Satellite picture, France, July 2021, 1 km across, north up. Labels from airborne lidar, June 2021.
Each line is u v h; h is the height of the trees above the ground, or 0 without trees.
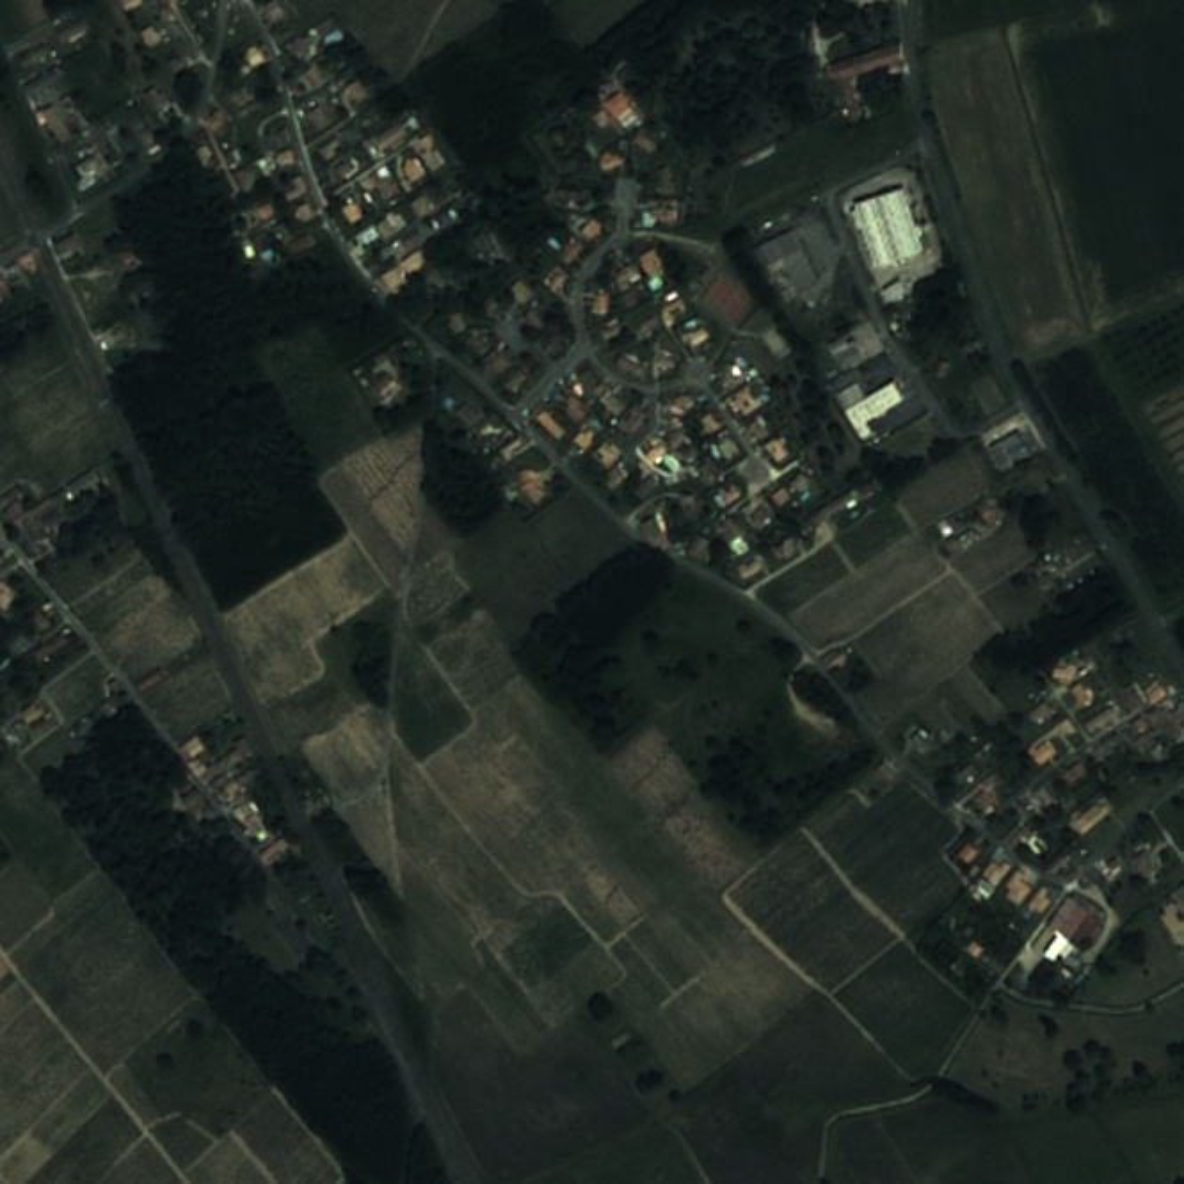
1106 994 0
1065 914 0
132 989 0
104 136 0
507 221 23
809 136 0
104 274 0
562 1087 0
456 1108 0
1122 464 9
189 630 0
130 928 0
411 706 0
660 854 0
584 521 0
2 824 0
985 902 11
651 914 0
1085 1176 0
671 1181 0
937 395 0
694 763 8
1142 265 0
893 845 0
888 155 0
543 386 0
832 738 0
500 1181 0
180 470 8
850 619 0
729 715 0
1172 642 0
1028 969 0
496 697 0
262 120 0
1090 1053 11
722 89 7
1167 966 0
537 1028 0
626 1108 0
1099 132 0
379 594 0
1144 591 0
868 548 0
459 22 0
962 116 0
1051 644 7
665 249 11
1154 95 0
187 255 10
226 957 19
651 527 0
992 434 0
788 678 7
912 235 0
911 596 0
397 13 0
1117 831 0
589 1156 0
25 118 0
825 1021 0
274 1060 18
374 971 0
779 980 0
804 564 0
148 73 9
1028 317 0
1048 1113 0
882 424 0
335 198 8
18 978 0
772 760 0
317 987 0
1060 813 11
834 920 0
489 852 0
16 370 0
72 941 0
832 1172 0
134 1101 0
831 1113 0
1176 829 0
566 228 7
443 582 0
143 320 0
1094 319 0
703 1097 0
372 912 0
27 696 7
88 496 13
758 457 0
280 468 7
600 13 0
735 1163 0
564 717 0
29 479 0
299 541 5
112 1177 0
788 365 0
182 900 7
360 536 0
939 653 0
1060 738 0
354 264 0
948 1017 0
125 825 9
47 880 0
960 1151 0
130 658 0
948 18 0
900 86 31
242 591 8
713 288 0
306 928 11
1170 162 0
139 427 15
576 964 0
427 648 0
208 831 9
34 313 7
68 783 9
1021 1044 0
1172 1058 7
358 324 16
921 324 17
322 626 0
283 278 16
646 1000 0
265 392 20
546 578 0
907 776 0
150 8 0
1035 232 0
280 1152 0
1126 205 0
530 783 0
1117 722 0
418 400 11
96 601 0
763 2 11
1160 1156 0
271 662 0
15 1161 0
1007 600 0
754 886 0
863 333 0
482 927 0
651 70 9
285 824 12
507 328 0
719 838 0
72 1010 0
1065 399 8
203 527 8
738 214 0
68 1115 0
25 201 0
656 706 0
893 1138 0
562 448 0
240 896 21
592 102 13
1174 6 0
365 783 0
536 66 6
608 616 17
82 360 0
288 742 0
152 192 10
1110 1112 0
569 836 0
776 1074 0
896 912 0
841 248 0
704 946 0
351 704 0
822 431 15
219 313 14
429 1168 14
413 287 15
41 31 0
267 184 8
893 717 0
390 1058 14
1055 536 0
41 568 14
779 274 0
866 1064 0
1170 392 0
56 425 0
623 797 0
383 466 0
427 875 0
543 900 0
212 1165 0
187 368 15
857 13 15
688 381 0
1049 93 0
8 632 13
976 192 0
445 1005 0
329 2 0
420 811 0
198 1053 0
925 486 0
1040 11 0
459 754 0
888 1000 0
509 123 6
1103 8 0
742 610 0
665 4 8
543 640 8
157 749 17
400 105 6
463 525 13
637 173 9
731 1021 0
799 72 20
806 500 0
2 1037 0
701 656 0
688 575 0
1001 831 8
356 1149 13
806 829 0
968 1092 16
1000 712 0
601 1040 0
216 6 0
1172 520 9
